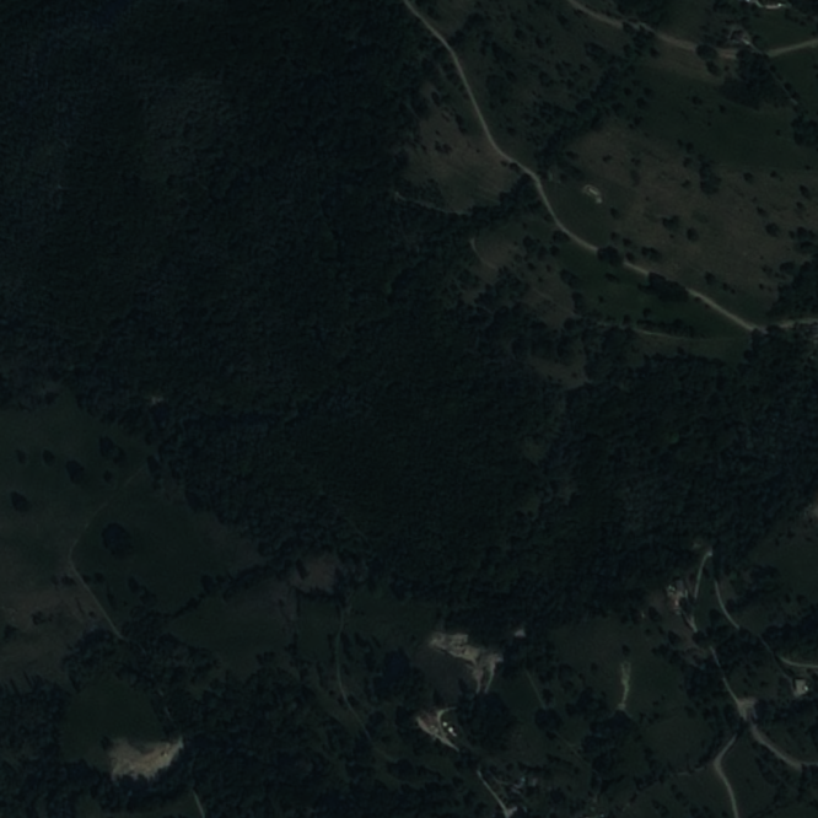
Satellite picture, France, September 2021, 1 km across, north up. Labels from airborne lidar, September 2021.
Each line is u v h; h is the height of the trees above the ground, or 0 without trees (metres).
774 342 20
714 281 14
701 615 0
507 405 22
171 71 23
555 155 21
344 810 27
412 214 12
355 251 26
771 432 17
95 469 0
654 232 0
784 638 14
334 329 26
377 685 0
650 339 0
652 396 25
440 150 8
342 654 0
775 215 0
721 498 25
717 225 0
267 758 26
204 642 0
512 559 12
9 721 9
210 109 18
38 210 16
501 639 8
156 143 19
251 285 19
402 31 19
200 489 17
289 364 23
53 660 0
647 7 16
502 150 0
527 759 0
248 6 34
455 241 20
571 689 15
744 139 0
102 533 0
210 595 19
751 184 12
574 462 21
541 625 9
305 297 27
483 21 10
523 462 14
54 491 0
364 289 22
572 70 9
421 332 19
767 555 0
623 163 0
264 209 24
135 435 17
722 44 8
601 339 9
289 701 16
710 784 0
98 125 25
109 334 24
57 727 15
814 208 0
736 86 7
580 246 0
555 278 0
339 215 31
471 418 20
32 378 9
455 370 23
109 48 19
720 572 13
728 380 19
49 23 25
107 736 0
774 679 0
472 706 14
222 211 26
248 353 23
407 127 9
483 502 25
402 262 23
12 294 14
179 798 17
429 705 0
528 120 12
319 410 28
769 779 14
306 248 23
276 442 16
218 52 27
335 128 34
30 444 0
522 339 18
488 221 11
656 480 22
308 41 37
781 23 0
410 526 18
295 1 31
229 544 0
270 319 18
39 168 15
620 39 0
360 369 21
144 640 9
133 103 25
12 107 24
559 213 0
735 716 14
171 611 0
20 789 21
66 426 0
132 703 0
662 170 0
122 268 26
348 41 39
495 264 0
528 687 0
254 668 0
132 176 28
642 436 33
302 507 20
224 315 26
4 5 28
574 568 29
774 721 8
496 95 8
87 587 8
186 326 22
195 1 22
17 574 0
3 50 22
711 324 0
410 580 20
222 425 15
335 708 0
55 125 15
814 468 23
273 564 20
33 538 0
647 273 0
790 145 0
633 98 8
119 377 20
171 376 20
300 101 34
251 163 16
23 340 21
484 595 25
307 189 24
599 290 0
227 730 24
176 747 0
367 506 22
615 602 28
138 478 0
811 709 14
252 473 21
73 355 25
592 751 16
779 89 7
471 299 0
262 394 16
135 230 23
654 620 15
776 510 19
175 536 0
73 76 23
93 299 26
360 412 16
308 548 20
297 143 30
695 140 0
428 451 22
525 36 9
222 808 21
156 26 24
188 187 23
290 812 20
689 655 8
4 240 22
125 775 0
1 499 0
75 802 14
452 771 0
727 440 26
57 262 28
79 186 25
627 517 22
